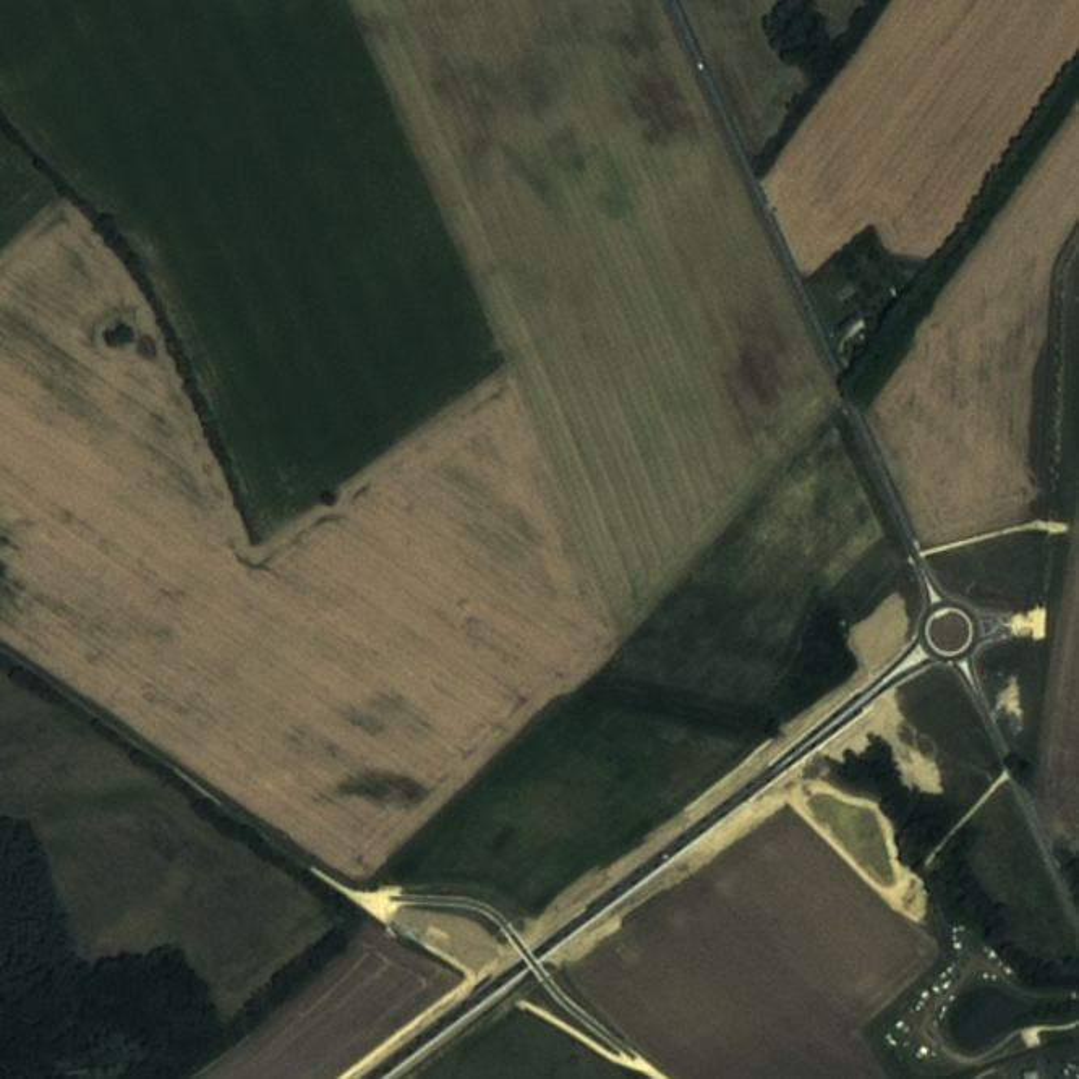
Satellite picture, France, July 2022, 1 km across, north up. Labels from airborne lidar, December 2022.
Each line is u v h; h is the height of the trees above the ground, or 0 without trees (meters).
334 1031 0
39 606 0
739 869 0
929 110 0
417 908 0
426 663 0
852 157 0
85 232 0
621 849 0
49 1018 23
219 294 0
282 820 0
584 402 0
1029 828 0
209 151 0
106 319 0
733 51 0
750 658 0
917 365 0
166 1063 5
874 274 0
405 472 0
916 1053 0
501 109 0
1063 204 0
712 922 0
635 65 0
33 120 0
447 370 0
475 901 0
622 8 0
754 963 0
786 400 0
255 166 0
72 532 0
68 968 22
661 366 0
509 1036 0
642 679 0
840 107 0
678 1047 0
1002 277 0
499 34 0
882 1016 0
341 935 11
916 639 0
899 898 0
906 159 0
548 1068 0
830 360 0
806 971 0
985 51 0
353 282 0
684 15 0
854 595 0
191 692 0
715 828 0
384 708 0
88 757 0
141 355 0
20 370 0
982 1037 0
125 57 0
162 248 0
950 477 0
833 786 0
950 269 12
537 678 0
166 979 21
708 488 0
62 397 0
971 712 0
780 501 0
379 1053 0
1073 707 0
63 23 0
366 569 0
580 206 0
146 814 0
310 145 0
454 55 0
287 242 0
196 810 11
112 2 0
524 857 0
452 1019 0
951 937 0
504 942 0
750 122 0
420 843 0
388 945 0
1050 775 0
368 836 0
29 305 0
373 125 0
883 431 0
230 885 0
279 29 0
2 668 13
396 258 0
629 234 0
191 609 0
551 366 0
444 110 0
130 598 0
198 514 0
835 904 0
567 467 0
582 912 0
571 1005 0
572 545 0
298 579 0
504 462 0
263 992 13
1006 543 0
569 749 0
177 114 0
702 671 0
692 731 0
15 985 21
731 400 0
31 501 0
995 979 0
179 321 0
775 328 0
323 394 0
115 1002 22
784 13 19
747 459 0
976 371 0
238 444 0
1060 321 0
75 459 0
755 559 0
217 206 0
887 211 0
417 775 0
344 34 0
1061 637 0
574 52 0
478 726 0
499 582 0
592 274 0
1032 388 0
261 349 0
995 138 0
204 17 0
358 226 0
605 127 0
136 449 0
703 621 0
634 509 0
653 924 0
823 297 0
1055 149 0
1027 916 0
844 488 0
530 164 0
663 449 0
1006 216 0
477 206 0
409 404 0
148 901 0
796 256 0
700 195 0
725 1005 0
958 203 0
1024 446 0
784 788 0
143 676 0
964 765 0
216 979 0
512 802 0
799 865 0
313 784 0
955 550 0
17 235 0
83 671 0
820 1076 0
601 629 0
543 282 0
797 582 0
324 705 0
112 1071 13
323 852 0
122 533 0
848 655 7
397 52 0
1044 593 0
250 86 0
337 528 0
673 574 0
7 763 0
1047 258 0
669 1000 0
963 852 13
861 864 0
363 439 0
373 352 0
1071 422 0
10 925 22
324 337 0
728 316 0
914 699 0
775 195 0
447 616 0
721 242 0
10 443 0
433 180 0
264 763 0
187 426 0
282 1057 0
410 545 0
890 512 0
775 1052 0
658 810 0
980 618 0
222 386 0
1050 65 0
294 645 0
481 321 0
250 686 0
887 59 0
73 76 0
